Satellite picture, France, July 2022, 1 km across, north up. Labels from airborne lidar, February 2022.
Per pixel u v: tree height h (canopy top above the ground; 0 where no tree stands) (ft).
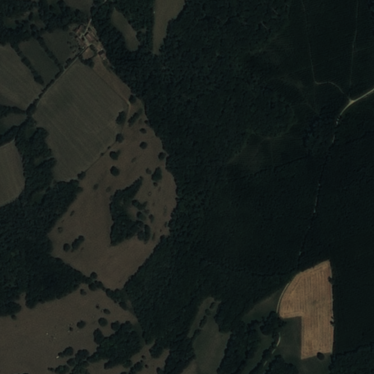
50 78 0
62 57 0
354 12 21
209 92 73
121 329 53
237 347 82
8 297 50
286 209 43
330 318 0
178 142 50
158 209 0
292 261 48
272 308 0
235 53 74
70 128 0
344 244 18
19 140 41
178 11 0
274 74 20
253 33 80
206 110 70
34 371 0
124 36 62
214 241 35
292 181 49
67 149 0
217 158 77
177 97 64
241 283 61
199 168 96
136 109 0
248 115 77
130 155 0
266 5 64
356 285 23
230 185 37
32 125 31
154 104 70
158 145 0
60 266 73
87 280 51
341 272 18
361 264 18
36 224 49
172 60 64
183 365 59
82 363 40
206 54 73
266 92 88
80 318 0
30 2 50
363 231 32
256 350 60
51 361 0
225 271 72
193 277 78
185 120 80
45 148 36
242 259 45
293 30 19
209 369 0
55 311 0
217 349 0
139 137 0
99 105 0
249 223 40
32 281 69
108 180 0
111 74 0
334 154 58
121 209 63
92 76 0
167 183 0
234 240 33
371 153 48
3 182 0
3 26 77
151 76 31
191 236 66
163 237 41
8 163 0
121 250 0
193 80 68
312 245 44
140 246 0
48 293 61
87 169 0
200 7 81
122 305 43
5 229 54
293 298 0
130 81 57
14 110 48
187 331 35
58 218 52
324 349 0
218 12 81
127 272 0
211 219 37
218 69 78
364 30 18
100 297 0
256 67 21
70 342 0
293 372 71
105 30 68
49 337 0
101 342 45
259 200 41
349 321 24
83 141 0
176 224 59
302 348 0
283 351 0
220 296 63
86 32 0
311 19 19
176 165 68
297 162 41
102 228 0
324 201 47
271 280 80
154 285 20
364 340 27
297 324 0
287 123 80
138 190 40
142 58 54
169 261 22
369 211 47
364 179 62
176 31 70
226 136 71
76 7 0
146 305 40
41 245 68
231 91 92
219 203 27
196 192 73
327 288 0
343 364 66
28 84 0
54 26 58
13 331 0
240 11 79
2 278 62
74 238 0
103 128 0
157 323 64
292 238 50
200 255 46
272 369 65
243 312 65
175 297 71
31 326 0
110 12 63
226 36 71
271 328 41
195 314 44
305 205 41
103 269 0
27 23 61
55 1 0
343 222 47
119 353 80
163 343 64
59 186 51
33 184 52
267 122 62
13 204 51
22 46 0
